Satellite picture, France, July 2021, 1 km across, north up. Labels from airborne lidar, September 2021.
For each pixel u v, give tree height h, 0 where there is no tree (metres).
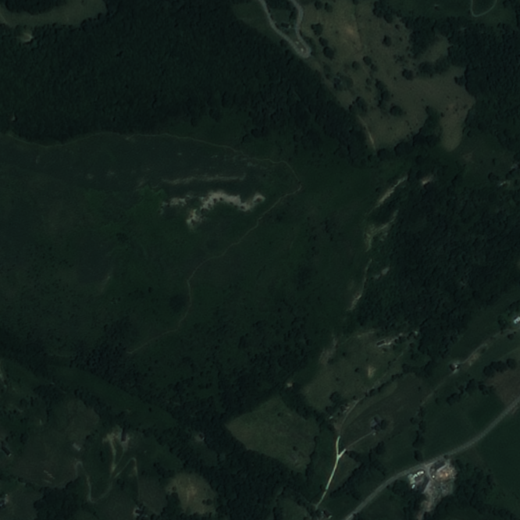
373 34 0
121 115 20
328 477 0
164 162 0
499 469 0
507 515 11
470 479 15
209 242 0
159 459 0
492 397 0
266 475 19
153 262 0
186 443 18
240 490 22
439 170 9
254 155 0
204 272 0
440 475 0
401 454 0
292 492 7
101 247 0
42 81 22
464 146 0
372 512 0
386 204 10
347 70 0
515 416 0
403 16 15
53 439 0
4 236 0
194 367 16
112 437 0
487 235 16
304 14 0
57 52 20
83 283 0
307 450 0
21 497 0
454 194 18
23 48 20
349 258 0
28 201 0
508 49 21
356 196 0
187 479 0
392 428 0
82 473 0
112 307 0
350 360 0
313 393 0
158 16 22
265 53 19
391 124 0
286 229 0
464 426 0
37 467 0
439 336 15
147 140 0
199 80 20
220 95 15
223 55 23
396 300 11
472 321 11
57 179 0
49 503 20
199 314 0
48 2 25
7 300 7
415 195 17
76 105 21
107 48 24
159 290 0
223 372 10
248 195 0
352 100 0
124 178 0
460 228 9
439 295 21
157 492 0
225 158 0
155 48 22
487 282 20
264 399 12
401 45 0
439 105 0
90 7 0
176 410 13
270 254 0
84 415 0
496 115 15
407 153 22
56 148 0
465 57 14
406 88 0
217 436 22
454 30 17
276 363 14
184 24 18
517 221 25
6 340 6
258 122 8
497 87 21
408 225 12
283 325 10
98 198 0
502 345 0
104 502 0
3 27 17
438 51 0
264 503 27
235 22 17
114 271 0
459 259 19
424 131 14
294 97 22
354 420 0
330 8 20
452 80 0
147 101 16
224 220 0
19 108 17
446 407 0
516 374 0
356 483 25
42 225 0
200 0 19
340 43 0
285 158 0
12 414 17
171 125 6
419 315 23
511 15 0
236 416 12
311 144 11
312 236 6
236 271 0
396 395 0
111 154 0
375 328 7
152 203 0
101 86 20
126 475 0
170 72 21
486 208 10
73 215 0
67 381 0
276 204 0
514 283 14
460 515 0
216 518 7
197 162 0
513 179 21
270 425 0
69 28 12
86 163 0
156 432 9
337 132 20
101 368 18
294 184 0
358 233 0
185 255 0
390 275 7
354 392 0
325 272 0
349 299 0
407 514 7
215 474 25
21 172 0
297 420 0
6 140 0
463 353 0
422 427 14
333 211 0
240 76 19
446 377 0
